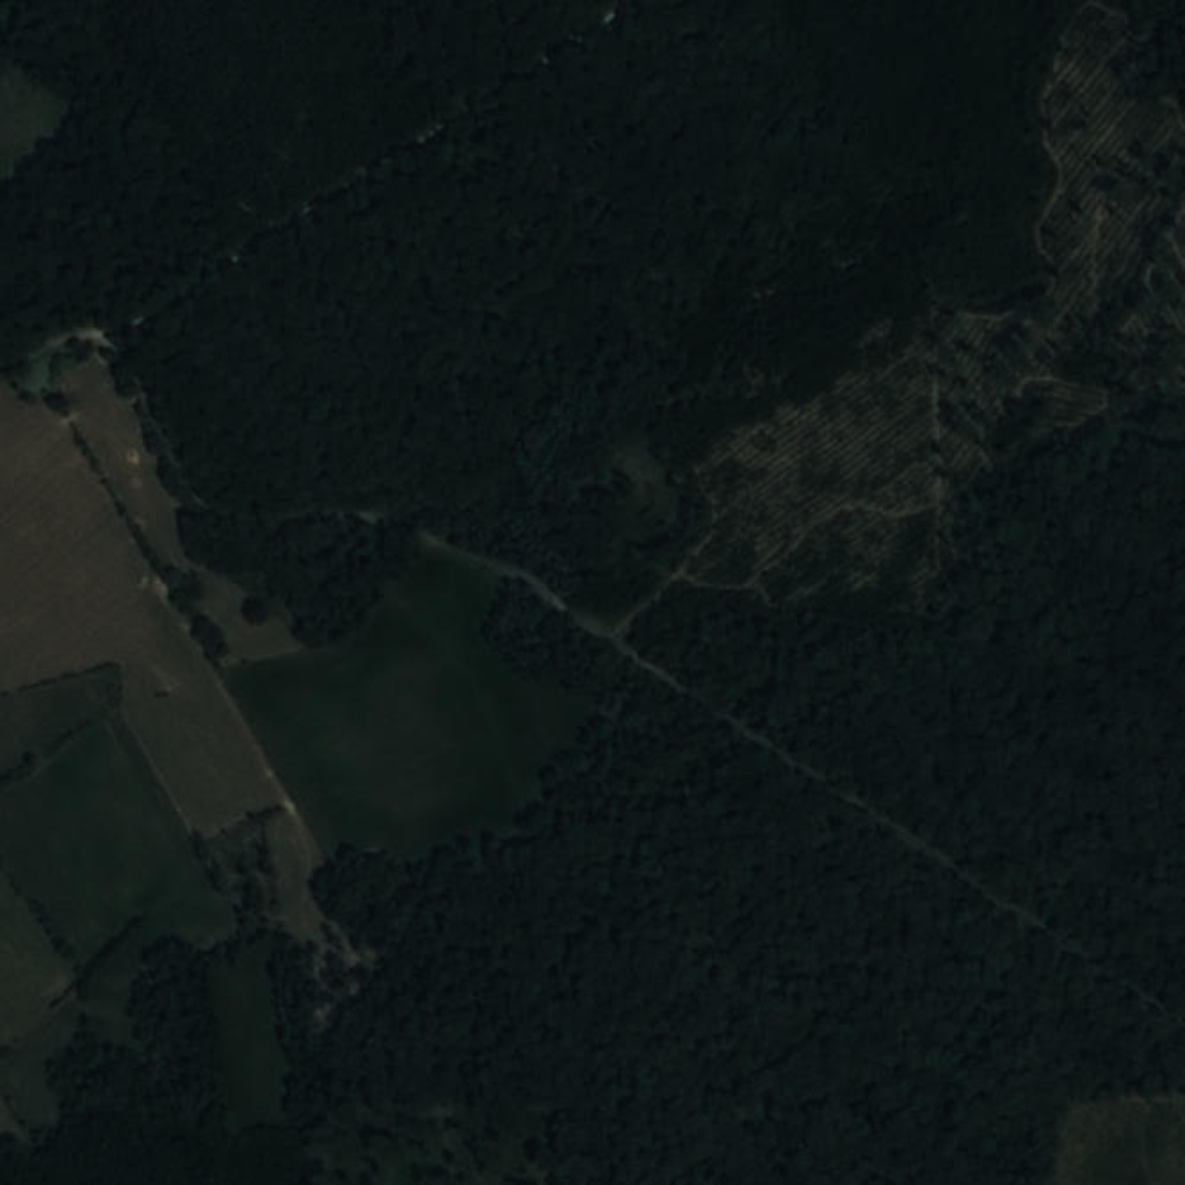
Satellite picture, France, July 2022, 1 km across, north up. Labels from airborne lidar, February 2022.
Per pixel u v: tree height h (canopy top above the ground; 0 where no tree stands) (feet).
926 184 25
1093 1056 54
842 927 78
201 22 50
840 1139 86
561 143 81
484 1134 0
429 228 96
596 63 93
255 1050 0
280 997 56
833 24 47
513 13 76
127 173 102
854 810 80
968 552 24
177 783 0
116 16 49
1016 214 30
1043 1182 94
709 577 20
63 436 0
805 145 94
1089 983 80
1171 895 79
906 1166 72
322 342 92
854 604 22
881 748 75
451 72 104
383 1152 91
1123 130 0
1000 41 44
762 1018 79
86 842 0
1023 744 106
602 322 78
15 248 95
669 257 90
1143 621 74
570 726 0
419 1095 85
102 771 0
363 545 68
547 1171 86
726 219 80
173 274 94
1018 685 97
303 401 70
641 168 87
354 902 98
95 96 98
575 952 75
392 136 41
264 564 69
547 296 87
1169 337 98
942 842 89
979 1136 79
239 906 51
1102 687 100
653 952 89
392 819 0
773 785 88
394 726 0
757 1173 98
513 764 0
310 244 89
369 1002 50
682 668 36
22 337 86
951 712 76
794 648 35
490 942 85
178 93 51
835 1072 86
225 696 0
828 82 41
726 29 89
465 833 0
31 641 0
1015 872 89
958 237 32
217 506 85
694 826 94
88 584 0
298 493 93
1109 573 76
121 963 0
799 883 90
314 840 0
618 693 68
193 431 88
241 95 46
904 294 25
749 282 26
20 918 0
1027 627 81
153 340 101
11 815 0
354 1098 88
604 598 32
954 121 51
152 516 0
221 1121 44
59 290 91
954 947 58
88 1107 34
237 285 105
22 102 0
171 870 0
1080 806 81
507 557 53
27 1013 0
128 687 0
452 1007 65
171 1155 38
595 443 75
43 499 0
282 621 0
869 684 96
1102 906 63
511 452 94
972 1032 71
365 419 104
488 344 90
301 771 0
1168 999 79
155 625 0
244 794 0
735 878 82
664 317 61
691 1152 92
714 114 66
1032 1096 91
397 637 0
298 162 47
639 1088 89
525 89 84
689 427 30
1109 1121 0
